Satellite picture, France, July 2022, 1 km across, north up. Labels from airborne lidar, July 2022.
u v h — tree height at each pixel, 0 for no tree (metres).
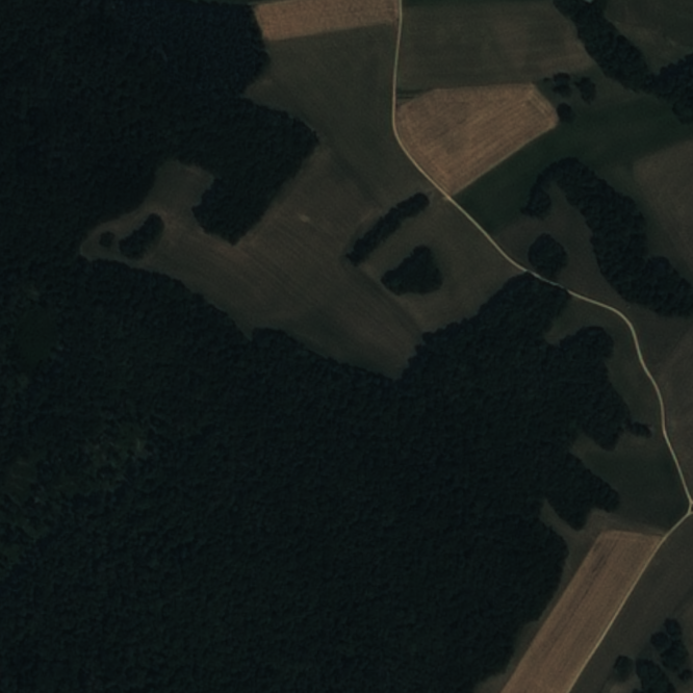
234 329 23
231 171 17
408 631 14
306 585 20
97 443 21
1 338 22
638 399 0
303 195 0
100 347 22
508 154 0
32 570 16
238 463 20
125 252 13
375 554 16
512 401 22
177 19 30
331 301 0
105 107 18
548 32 0
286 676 15
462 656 19
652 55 0
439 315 0
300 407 18
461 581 20
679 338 0
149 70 17
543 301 17
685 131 0
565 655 0
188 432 10
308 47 0
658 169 0
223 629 19
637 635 0
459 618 24
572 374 18
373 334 0
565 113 23
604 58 16
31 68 20
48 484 22
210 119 23
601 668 0
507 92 0
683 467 0
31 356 0
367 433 20
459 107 0
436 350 14
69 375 25
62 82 22
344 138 0
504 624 24
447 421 23
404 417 20
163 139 25
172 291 19
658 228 0
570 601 0
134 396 16
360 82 0
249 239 0
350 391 19
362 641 12
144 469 21
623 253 26
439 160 0
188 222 0
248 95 0
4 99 25
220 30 24
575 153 0
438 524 20
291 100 0
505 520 25
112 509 25
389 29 0
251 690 14
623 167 0
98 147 25
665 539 0
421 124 0
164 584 21
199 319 28
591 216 15
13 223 19
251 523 20
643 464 0
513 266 0
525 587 19
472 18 0
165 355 14
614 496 18
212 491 19
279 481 20
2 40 19
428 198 12
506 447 19
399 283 14
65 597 21
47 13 14
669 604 0
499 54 0
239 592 21
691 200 0
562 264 17
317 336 0
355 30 0
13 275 22
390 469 22
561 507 18
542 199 18
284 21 0
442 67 0
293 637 20
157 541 20
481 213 0
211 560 18
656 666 19
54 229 25
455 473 22
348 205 0
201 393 22
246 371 17
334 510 19
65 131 24
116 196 21
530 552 20
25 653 13
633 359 0
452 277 0
